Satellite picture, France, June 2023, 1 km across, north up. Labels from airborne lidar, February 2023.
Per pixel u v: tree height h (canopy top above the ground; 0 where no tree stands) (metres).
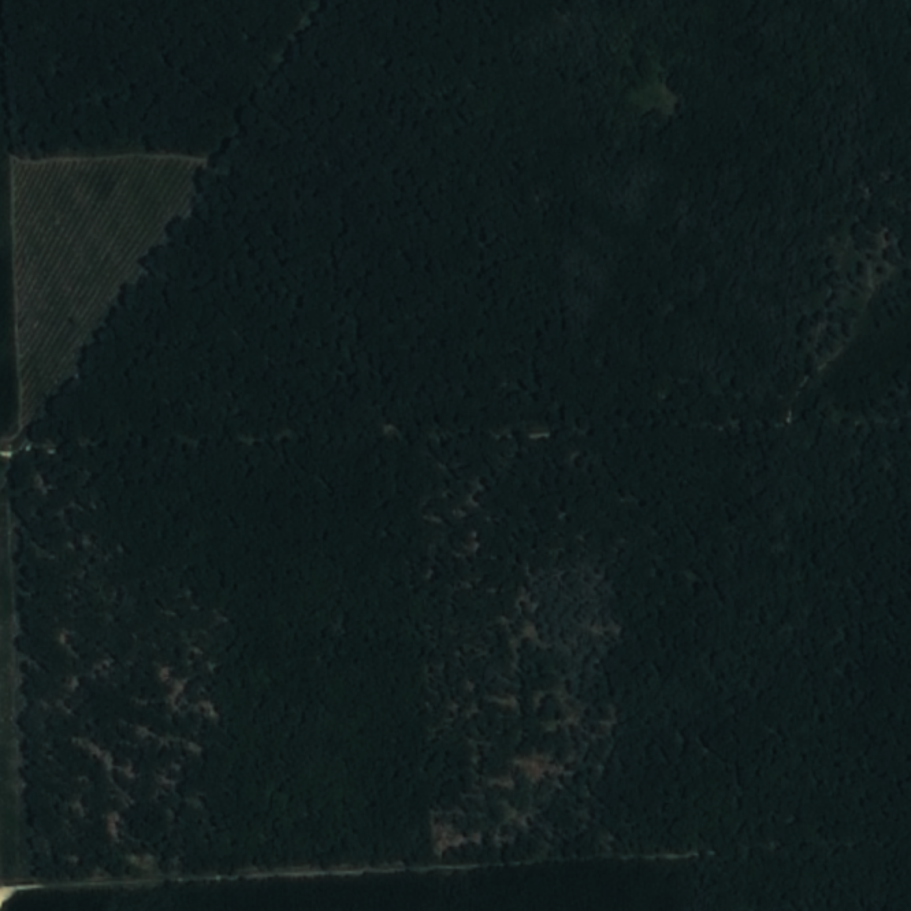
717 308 17
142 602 26
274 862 23
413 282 35
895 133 28
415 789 21
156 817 29
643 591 28
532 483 28
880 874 27
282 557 30
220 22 30
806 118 22
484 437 22
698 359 22
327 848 19
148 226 0
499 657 24
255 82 32
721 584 23
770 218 15
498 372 31
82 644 29
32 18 30
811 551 8
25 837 0
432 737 22
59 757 27
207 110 32
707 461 28
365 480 29
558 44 17
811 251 23
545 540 26
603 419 28
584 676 21
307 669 22
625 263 26
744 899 19
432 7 35
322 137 33
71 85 32
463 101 30
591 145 26
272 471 25
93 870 26
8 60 27
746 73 19
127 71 32
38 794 29
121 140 30
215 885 12
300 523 27
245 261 32
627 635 19
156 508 27
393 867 8
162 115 29
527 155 27
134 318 28
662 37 23
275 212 35
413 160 31
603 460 27
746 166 21
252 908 12
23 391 0
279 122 33
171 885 16
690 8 19
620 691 25
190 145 34
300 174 32
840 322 23
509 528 26
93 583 25
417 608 33
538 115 22
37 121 35
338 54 35
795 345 7
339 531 29
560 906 14
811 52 19
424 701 22
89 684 28
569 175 25
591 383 32
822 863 28
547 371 28
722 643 24
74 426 27
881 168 23
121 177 0
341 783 22
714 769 21
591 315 27
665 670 24
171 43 31
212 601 27
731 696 19
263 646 27
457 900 10
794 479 24
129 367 29
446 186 32
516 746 23
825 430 21
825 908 26
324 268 35
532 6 25
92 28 30
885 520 21
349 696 20
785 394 16
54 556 32
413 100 28
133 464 30
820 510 24
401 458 29
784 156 20
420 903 13
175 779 23
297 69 35
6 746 0
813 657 20
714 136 19
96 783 25
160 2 33
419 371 34
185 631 26
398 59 32
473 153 29
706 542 30
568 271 29
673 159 26
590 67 22
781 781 20
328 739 20
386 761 21
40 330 0
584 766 17
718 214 21
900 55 25
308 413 30
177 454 27
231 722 21
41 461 28
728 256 19
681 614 25
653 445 29
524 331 29
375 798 25
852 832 26
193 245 31
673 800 24
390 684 21
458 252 30
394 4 33
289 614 28
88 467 34
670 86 15
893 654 27
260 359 30
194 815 29
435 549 27
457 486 29
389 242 34
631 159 28
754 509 27
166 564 30
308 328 35
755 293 21
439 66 32
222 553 32
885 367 11
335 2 33
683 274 16
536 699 22
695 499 30
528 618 16
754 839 23
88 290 0
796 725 24
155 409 29
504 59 24
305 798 24
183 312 29
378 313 30
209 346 26
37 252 0
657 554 28
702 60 24
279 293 35
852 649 20
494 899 10
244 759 23
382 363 34
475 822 19
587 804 26
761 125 23
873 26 22
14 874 0
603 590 21
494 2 27
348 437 33
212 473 29
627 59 20
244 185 36
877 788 33
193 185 0
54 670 30
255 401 25
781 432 24
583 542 22
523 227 29
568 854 23
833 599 20
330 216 35
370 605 26
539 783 20
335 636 23
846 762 30
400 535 26
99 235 0
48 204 0
